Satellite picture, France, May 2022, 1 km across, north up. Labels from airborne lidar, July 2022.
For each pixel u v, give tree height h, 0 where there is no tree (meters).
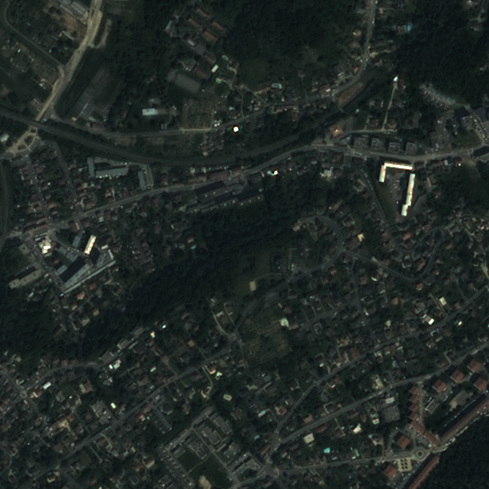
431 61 24
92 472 13
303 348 9
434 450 0
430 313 10
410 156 0
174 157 0
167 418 9
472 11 11
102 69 0
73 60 0
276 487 8
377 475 7
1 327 21
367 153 0
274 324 0
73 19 0
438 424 13
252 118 0
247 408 0
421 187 10
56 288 7
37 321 16
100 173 0
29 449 17
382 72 11
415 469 0
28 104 13
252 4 23
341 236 0
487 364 9
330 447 0
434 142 0
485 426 20
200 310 7
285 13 28
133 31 12
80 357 12
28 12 0
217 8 14
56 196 9
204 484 0
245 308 12
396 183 0
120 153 0
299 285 16
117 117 11
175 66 18
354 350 0
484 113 0
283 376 15
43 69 0
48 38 0
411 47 21
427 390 9
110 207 0
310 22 22
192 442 0
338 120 10
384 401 0
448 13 28
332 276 7
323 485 0
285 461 10
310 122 19
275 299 0
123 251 8
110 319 23
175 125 7
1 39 0
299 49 12
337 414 0
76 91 0
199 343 9
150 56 6
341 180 8
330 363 7
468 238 7
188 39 0
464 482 18
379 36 20
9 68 0
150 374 9
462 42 27
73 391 0
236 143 9
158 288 26
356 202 11
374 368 12
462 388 8
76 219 0
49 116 0
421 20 17
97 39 0
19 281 0
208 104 0
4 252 8
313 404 6
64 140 9
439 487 14
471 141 0
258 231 24
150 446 8
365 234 7
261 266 0
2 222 0
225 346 19
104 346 15
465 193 7
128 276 18
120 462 14
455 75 25
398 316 6
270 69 7
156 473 7
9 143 8
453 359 6
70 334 8
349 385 15
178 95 0
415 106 11
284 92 6
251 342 0
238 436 8
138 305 19
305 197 12
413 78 17
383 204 6
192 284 8
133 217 11
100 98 0
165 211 18
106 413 0
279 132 10
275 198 21
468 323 6
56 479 9
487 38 22
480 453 21
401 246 6
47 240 0
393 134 0
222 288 17
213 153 6
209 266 10
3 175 0
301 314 0
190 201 0
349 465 8
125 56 10
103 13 0
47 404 13
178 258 18
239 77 11
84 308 7
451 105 0
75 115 0
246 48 21
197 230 9
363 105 11
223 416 9
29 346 17
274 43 21
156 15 8
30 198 7
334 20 6
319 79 7
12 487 17
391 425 10
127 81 9
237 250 19
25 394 0
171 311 13
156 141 0
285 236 19
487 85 22
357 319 10
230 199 0
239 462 0
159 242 6
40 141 0
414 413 0
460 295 0
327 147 0
